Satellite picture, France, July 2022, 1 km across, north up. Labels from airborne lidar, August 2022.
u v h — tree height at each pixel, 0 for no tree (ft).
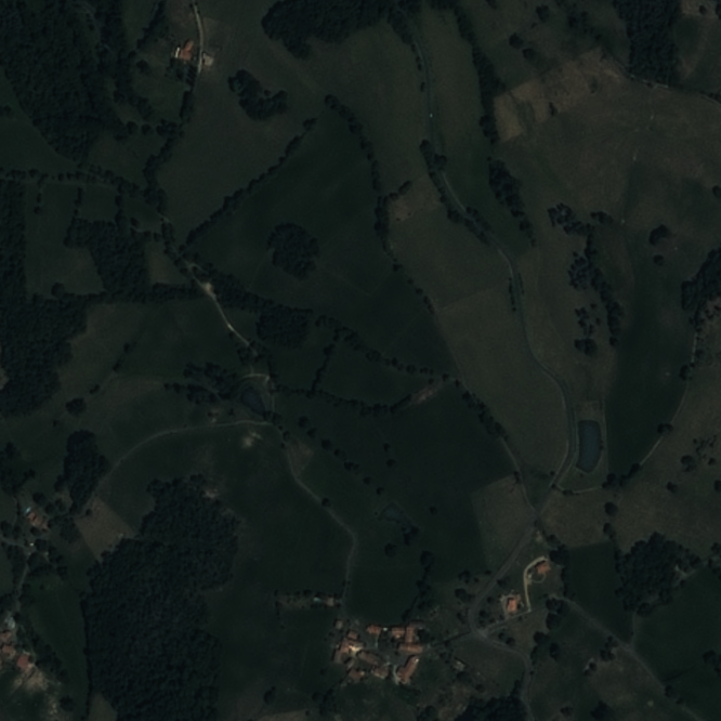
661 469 0
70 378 0
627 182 0
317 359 0
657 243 47
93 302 51
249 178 0
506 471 0
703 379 0
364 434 0
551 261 0
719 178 0
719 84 0
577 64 0
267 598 0
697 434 0
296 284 0
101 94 86
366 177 0
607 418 0
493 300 0
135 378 0
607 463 0
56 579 0
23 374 64
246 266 0
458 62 0
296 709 0
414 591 0
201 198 0
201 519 39
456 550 0
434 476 0
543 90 0
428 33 0
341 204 0
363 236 0
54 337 57
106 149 0
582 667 0
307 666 0
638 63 41
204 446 0
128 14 0
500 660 0
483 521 0
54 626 0
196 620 27
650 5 36
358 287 0
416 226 0
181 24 0
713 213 0
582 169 0
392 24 33
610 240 0
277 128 0
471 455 0
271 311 56
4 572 0
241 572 0
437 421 0
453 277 0
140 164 0
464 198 0
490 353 0
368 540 0
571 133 0
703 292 54
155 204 52
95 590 51
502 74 0
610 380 0
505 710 57
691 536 0
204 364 0
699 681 0
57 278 0
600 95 0
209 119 0
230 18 0
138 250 29
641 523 0
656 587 31
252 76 26
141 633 31
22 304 55
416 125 0
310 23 50
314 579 0
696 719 0
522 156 0
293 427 0
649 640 0
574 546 0
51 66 55
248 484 0
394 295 0
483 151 0
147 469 0
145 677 49
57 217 0
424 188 0
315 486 0
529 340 0
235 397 37
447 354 0
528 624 0
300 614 0
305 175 0
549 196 0
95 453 30
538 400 0
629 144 0
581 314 42
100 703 0
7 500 0
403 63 0
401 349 0
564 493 19
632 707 0
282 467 0
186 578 41
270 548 0
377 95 0
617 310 77
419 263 0
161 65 0
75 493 42
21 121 0
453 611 0
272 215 0
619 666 0
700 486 0
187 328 0
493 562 0
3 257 26
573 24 54
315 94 0
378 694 0
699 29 0
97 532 0
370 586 0
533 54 46
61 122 64
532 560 0
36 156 0
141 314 0
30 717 0
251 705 0
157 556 50
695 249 0
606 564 0
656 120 0
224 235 0
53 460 0
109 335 0
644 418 0
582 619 0
